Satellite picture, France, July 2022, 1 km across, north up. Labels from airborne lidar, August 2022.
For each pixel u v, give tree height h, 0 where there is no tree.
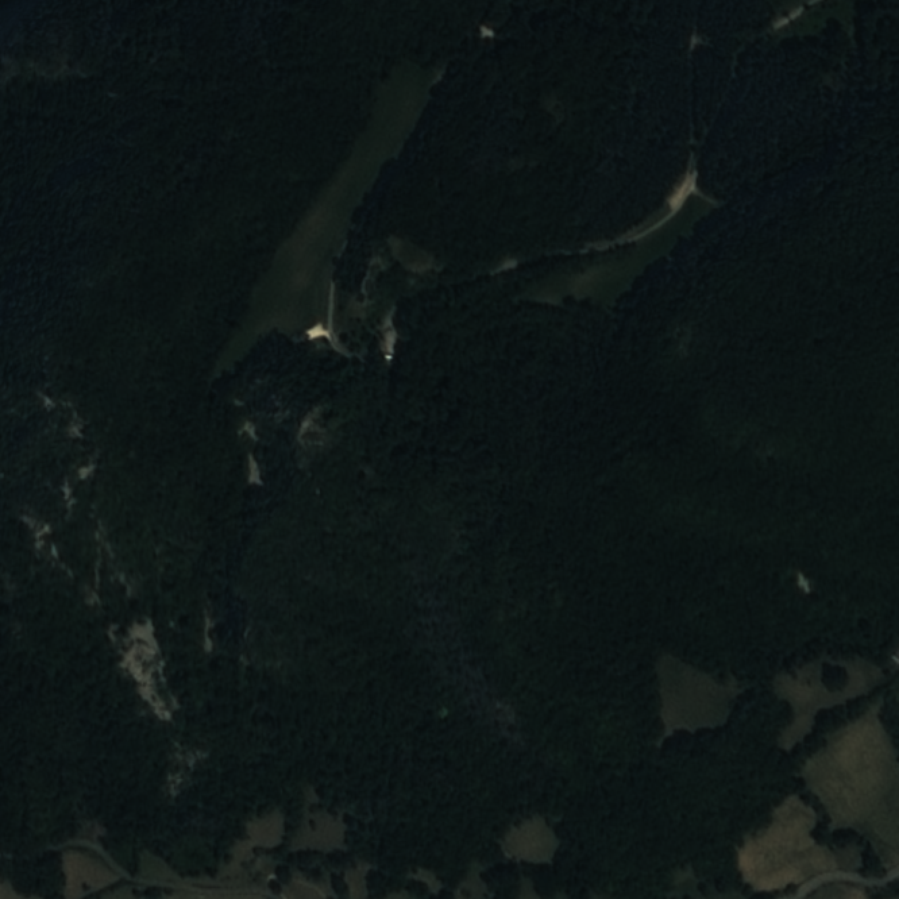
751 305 13
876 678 0
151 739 16
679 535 20
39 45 12
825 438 14
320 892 0
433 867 18
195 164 16
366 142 0
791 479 17
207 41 24
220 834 18
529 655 18
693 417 14
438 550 6
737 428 11
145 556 8
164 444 18
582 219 9
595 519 16
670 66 21
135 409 11
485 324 24
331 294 0
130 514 17
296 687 21
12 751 14
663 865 14
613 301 0
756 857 0
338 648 17
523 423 26
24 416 13
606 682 15
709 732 10
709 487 14
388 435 21
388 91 0
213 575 21
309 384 7
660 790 19
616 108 17
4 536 13
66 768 23
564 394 22
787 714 21
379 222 16
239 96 18
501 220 16
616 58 26
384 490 10
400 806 16
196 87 20
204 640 12
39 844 15
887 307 22
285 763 15
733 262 21
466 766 14
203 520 15
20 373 17
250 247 20
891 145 26
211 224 9
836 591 19
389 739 17
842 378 14
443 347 29
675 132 23
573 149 11
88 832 0
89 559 6
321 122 14
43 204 15
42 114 19
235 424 20
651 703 18
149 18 30
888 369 13
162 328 9
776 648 26
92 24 25
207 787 11
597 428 23
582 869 20
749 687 6
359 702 23
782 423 12
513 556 16
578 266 11
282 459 8
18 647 11
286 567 14
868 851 12
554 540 24
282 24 20
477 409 21
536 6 28
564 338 17
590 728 17
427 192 14
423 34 19
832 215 20
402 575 12
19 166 22
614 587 15
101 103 15
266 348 21
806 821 0
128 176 12
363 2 8
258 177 8
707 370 14
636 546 16
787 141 29
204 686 15
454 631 6
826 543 14
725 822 18
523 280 17
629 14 24
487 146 18
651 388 14
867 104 29
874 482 15
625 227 14
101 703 15
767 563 15
